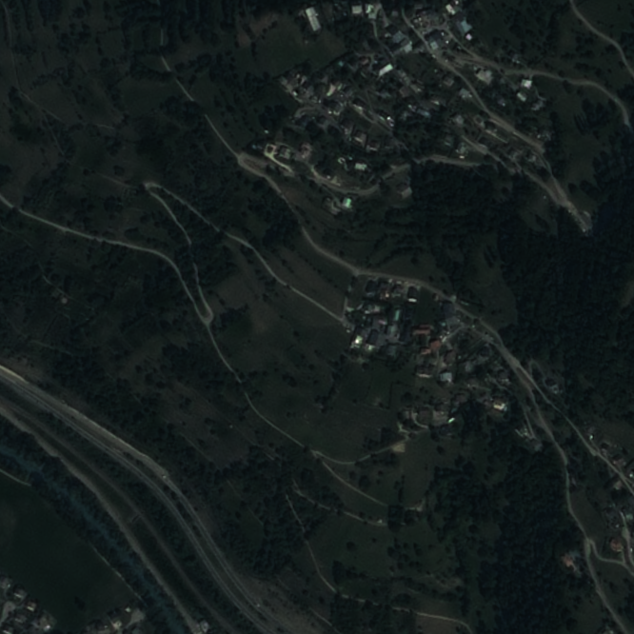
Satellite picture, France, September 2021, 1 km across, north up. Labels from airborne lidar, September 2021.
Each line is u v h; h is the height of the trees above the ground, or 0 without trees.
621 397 17
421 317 0
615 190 29
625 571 0
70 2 0
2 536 0
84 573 0
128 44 11
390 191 14
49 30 7
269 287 10
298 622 0
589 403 16
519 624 25
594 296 32
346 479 0
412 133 15
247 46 0
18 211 9
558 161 9
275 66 0
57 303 10
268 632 0
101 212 0
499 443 24
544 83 0
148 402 11
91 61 0
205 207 11
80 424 0
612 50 13
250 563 12
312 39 10
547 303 16
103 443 0
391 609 12
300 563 0
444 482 23
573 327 19
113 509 0
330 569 0
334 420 0
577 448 15
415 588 8
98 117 0
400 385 7
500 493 17
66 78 9
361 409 0
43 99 0
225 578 0
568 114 0
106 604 0
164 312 10
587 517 0
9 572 0
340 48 0
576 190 13
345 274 0
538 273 20
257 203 5
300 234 10
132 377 0
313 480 13
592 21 0
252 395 12
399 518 15
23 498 0
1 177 12
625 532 0
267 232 0
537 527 19
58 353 12
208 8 18
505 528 24
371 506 0
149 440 7
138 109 0
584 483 14
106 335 0
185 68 12
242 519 9
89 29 11
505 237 23
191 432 0
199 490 7
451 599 15
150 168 0
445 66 0
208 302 0
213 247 12
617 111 19
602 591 0
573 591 8
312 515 9
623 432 0
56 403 0
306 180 12
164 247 10
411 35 9
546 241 11
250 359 0
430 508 9
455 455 0
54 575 0
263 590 0
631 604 15
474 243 16
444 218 15
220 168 7
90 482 0
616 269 29
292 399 0
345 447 0
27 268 11
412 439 12
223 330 7
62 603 0
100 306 13
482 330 0
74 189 0
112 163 0
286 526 17
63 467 23
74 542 0
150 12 16
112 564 16
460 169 11
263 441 8
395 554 16
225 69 13
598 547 0
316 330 0
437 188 20
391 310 8
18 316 0
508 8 7
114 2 0
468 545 22
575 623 14
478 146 0
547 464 10
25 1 15
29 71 0
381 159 9
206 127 8
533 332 24
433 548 7
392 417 0
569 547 26
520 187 16
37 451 16
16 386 0
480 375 20
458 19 0
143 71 14
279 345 0
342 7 6
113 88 8
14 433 18
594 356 19
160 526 11
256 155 7
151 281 17
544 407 8
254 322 0
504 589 22
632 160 22
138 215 0
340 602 14
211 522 0
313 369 10
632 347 12
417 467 0
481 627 6
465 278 12
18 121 12
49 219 0
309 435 0
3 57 0
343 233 5
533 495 6
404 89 0
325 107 8
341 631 6
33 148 0
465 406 6
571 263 24
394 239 12
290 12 6
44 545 0
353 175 6
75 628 0
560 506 16
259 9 13
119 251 12
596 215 11
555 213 6
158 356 0
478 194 15
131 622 0
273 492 7
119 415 6
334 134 14
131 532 0
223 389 17
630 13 0
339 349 0
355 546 9
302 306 0
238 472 11
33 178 0
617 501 15
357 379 0
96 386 16
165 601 26
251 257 15
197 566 9
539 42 8
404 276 0
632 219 27
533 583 24
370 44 12
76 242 6
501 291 0
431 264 0
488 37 0
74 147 13
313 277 0
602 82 16
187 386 13
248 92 8
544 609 26
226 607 10
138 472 0
